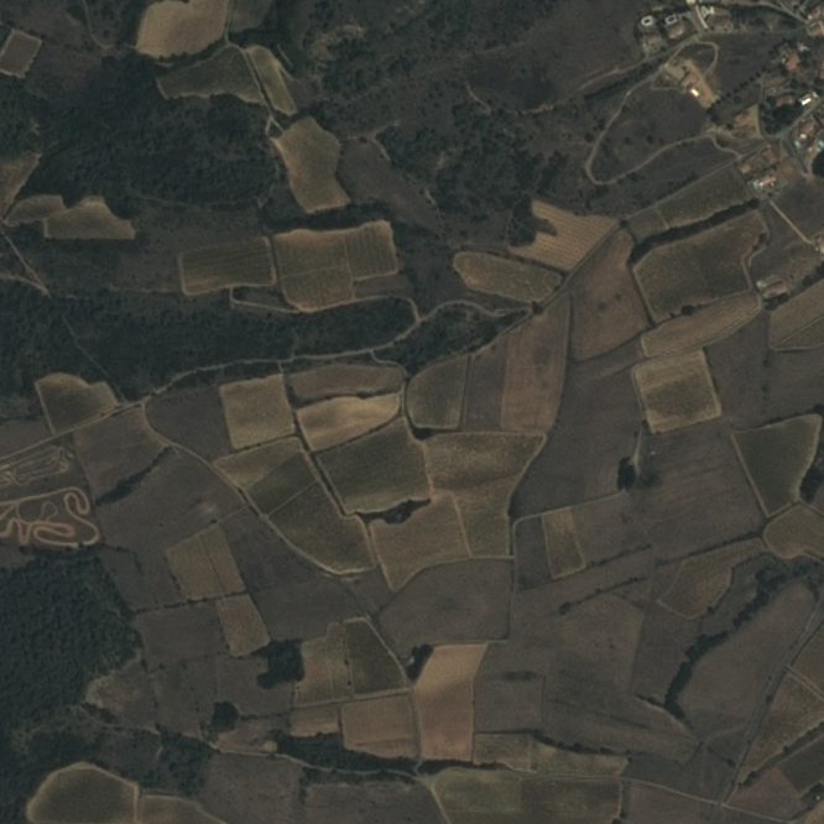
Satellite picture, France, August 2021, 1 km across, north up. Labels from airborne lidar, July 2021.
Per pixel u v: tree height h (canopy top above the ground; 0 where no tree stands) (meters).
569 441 0
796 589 0
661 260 0
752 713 0
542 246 0
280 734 6
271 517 0
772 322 0
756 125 0
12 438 0
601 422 0
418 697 0
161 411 0
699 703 0
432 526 0
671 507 0
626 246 0
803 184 0
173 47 0
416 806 0
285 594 0
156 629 0
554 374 0
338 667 0
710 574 0
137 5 7
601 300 0
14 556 0
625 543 0
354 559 0
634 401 0
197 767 7
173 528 0
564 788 0
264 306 0
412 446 0
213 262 0
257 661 0
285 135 0
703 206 0
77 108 8
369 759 6
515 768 0
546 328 0
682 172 0
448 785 0
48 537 0
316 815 0
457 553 0
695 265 0
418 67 0
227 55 0
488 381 0
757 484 0
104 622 8
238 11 0
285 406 0
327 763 7
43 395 0
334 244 0
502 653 0
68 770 0
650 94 0
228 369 6
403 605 0
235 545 0
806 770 0
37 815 0
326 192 0
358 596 0
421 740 0
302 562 0
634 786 0
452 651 0
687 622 0
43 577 11
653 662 0
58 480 0
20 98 7
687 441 0
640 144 0
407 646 0
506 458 0
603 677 0
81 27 0
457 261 0
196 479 0
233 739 0
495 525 0
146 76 7
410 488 0
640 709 0
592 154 0
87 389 0
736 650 0
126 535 0
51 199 0
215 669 0
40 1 0
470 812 0
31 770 6
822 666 0
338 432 0
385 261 0
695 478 0
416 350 9
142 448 0
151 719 0
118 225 0
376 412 0
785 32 0
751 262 0
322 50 0
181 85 0
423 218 0
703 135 0
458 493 0
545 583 0
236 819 0
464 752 0
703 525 0
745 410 0
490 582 0
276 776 0
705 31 0
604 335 0
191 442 0
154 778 11
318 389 0
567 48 0
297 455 0
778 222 0
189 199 9
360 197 0
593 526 0
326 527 0
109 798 0
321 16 6
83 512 0
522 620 0
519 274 0
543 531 0
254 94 0
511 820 0
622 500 0
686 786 0
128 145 8
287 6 17
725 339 0
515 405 0
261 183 9
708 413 0
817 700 0
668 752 0
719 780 0
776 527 0
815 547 0
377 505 0
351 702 0
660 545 0
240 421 0
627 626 0
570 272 0
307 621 0
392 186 0
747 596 0
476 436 0
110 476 0
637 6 0
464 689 0
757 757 0
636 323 0
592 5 0
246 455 0
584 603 0
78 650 7
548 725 0
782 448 0
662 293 0
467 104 6
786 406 0
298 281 0
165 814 0
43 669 12
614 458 0
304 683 0
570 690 0
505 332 0
